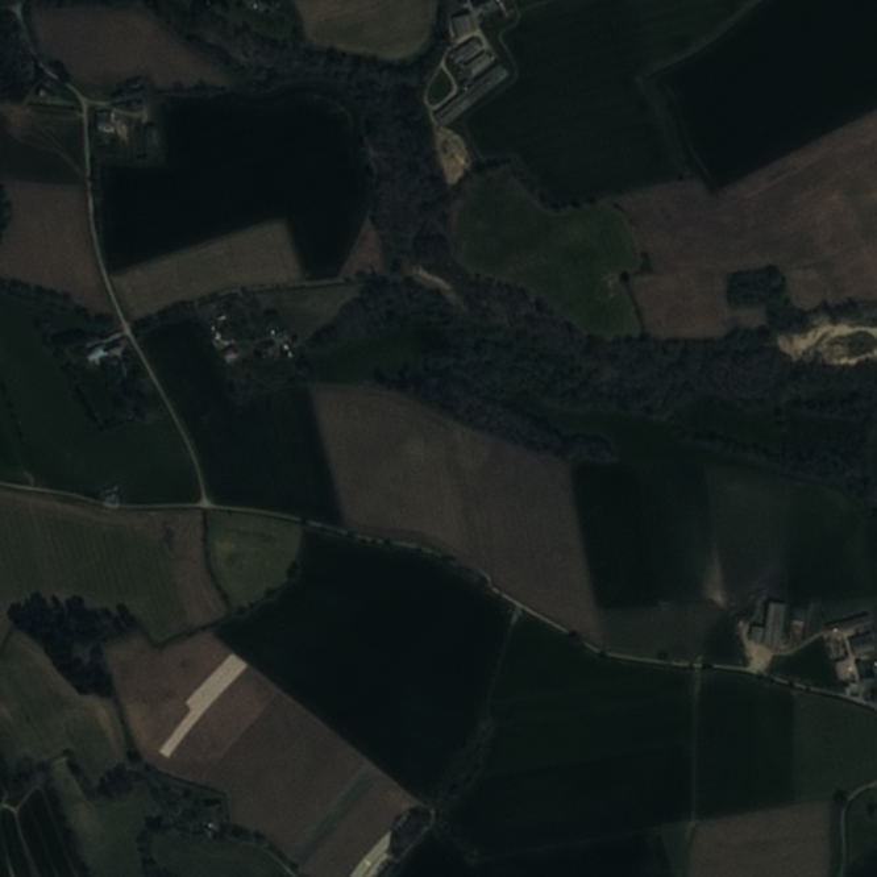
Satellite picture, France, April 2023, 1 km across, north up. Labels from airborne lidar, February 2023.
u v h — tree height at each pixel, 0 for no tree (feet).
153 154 0
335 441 0
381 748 0
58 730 0
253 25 0
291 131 0
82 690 59
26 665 0
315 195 0
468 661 0
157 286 0
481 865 0
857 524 0
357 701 0
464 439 0
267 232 0
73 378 41
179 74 0
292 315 0
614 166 0
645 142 0
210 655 0
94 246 0
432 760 0
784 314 25
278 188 0
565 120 0
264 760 0
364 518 0
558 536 0
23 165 0
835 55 0
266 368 0
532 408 0
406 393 24
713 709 0
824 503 0
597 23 0
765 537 0
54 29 0
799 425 0
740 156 0
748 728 0
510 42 0
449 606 0
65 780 0
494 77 0
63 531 0
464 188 21
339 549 0
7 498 0
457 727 0
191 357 0
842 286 0
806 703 0
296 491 0
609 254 0
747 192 0
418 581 0
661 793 0
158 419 0
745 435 0
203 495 0
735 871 0
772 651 0
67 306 46
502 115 0
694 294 0
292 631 0
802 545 0
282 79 32
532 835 0
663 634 0
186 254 0
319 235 0
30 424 0
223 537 0
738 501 0
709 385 71
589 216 0
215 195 0
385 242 51
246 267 0
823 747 0
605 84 0
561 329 55
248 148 0
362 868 0
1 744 0
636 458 0
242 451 0
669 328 0
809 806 0
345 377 0
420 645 0
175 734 0
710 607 0
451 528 0
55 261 0
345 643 0
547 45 0
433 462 0
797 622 0
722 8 0
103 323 53
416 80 31
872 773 0
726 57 0
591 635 0
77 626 79
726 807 0
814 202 0
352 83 23
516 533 0
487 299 48
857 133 0
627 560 0
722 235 0
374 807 0
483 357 30
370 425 0
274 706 0
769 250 0
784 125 0
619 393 30
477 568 0
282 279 0
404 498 0
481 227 0
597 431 0
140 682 0
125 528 0
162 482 0
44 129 0
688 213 0
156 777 51
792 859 0
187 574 0
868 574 0
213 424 0
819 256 0
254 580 0
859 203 0
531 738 0
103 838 0
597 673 0
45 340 31
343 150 0
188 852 0
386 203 61
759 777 0
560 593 0
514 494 0
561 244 0
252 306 40
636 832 0
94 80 0
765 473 0
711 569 0
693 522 0
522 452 44
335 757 0
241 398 21
